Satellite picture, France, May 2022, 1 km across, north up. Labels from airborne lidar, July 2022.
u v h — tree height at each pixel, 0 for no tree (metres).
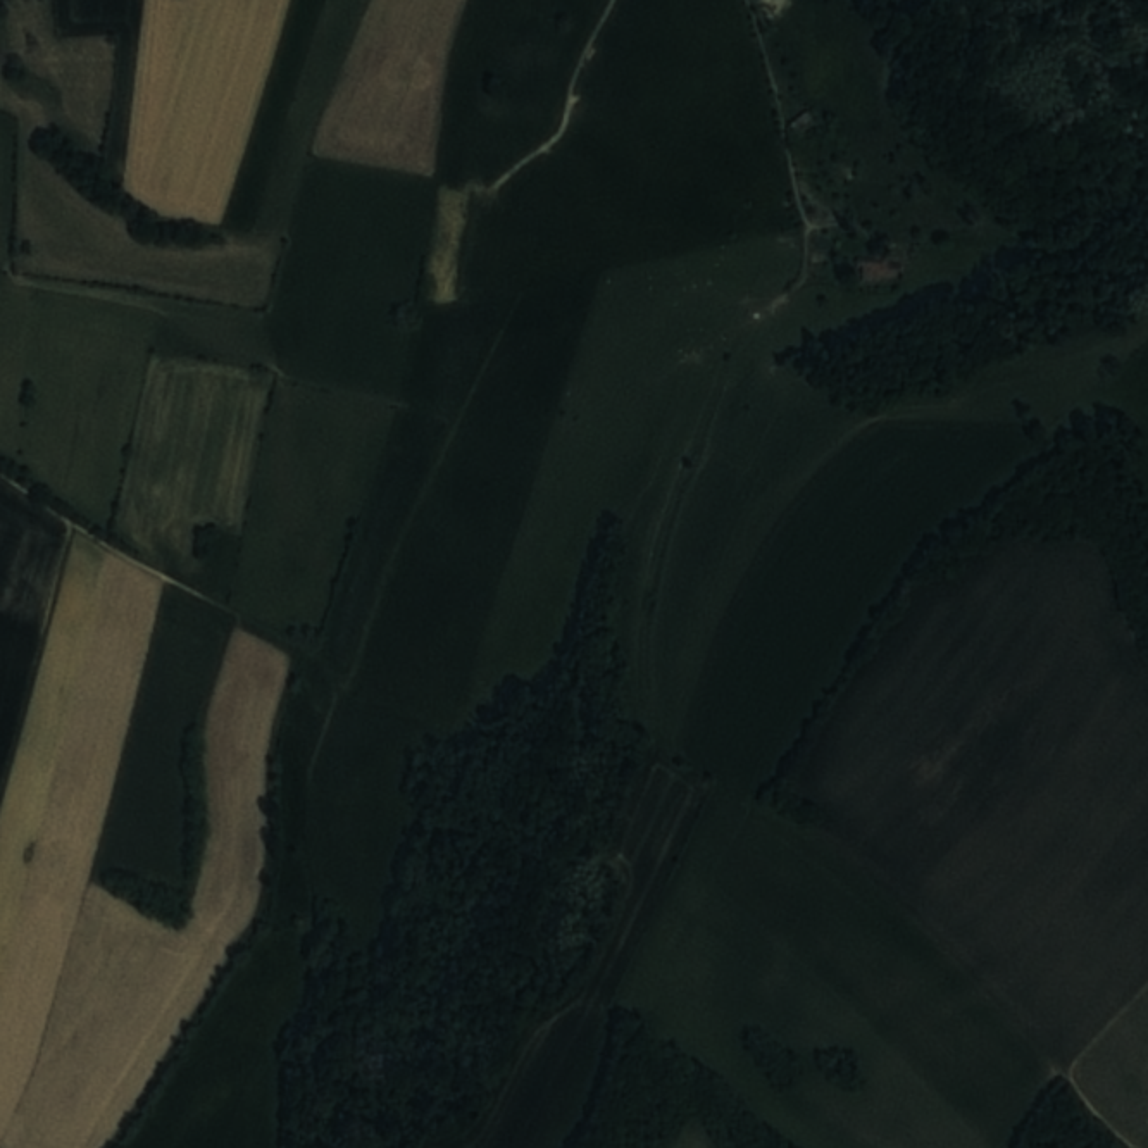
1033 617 0
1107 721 0
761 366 0
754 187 0
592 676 25
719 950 0
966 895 0
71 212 0
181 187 0
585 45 0
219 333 0
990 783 0
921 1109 0
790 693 0
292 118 0
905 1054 0
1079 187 30
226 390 0
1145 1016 0
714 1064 0
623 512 0
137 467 0
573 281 0
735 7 0
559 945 28
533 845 31
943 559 18
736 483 0
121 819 0
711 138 0
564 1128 0
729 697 0
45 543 0
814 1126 0
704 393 0
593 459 0
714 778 11
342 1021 27
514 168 0
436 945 34
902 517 0
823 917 0
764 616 0
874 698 0
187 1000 0
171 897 22
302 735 0
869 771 0
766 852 0
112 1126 0
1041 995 0
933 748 0
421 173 0
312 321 0
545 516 0
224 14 0
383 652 0
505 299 0
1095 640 0
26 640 0
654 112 0
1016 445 0
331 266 0
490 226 0
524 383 0
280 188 0
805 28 0
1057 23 29
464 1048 28
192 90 0
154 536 0
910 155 0
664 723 0
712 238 0
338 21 0
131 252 0
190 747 18
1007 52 21
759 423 0
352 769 0
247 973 0
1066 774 0
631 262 0
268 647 0
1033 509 11
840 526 0
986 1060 0
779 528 0
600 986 0
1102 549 9
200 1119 0
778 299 0
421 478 0
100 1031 0
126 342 0
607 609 18
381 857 0
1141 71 23
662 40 0
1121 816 0
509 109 0
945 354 26
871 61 0
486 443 0
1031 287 27
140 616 0
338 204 0
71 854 0
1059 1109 16
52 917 0
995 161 30
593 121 0
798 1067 13
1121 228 26
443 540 0
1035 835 0
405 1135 27
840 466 0
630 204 0
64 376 0
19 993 0
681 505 0
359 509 0
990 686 0
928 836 0
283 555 0
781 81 0
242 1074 0
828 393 9
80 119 0
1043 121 23
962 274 0
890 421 0
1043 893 0
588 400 0
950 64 26
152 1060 0
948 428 0
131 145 0
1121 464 29
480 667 0
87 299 0
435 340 0
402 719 0
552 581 0
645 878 0
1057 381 0
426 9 0
